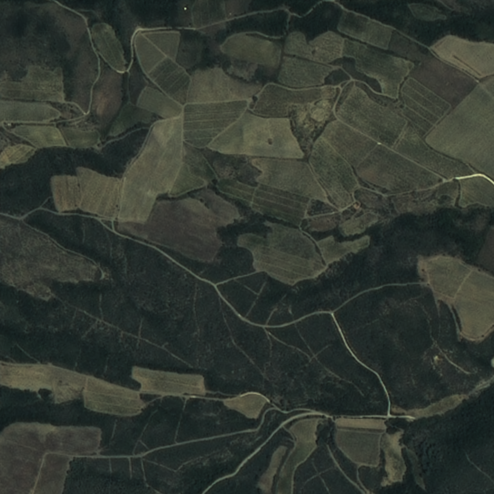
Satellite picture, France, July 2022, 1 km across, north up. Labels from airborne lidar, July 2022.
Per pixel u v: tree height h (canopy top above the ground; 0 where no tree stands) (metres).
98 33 0
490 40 6
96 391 0
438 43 0
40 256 0
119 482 11
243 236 0
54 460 0
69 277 0
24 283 0
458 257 0
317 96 0
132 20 0
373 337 6
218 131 0
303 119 0
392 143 0
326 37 0
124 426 0
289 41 0
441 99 0
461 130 0
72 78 0
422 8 0
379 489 6
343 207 0
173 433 0
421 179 0
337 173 0
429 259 0
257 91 0
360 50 0
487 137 0
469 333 0
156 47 0
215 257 0
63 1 7
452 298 0
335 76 0
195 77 0
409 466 9
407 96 0
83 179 0
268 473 0
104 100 0
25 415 7
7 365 0
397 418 7
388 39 0
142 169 0
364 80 0
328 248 0
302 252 0
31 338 7
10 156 0
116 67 0
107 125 0
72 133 0
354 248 0
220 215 0
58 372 0
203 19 0
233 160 0
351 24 0
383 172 0
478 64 0
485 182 0
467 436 7
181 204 0
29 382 0
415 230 6
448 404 0
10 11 0
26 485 0
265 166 0
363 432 0
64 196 0
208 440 0
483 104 0
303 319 0
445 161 0
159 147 0
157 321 7
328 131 0
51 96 0
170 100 0
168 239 0
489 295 0
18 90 0
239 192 0
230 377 0
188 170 0
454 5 0
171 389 0
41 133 0
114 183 0
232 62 0
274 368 0
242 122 0
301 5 7
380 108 0
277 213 0
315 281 6
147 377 0
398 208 0
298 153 0
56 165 6
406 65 0
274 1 7
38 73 0
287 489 0
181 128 0
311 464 0
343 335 0
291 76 0
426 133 0
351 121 0
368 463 0
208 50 8
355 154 0
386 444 0
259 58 0
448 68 0
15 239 0
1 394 8
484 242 0
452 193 0
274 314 0
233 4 0
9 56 0
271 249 0
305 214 0
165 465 0
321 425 9
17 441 0
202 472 6
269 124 0
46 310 5
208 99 0
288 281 0
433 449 12
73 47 0
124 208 0
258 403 0
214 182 10
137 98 0
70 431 0
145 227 0
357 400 6
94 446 0
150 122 0
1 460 0
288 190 0
